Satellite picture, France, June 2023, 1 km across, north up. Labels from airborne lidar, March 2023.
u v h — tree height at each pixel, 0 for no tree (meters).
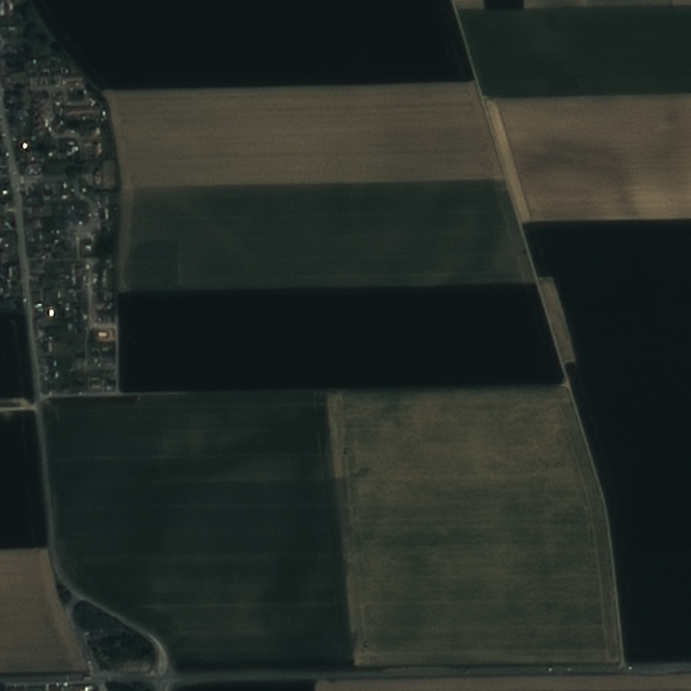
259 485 0
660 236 0
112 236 0
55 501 0
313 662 0
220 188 0
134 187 0
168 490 0
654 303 0
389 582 0
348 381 0
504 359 0
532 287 0
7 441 0
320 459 0
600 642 0
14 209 0
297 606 0
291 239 0
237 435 0
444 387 0
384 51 0
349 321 0
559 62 0
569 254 0
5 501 0
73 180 8
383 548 0
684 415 0
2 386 0
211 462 0
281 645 0
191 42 0
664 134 0
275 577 0
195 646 0
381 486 0
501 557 0
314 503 0
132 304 0
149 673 0
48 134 7
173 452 0
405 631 0
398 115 0
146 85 0
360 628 0
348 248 0
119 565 0
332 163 0
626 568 0
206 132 0
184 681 0
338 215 0
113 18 0
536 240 0
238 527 0
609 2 0
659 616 0
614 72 0
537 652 0
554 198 0
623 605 0
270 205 0
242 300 0
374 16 0
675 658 0
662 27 0
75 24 0
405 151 0
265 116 0
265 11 0
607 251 0
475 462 0
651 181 0
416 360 0
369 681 0
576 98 0
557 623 0
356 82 0
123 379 0
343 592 0
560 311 0
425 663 0
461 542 0
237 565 0
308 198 0
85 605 11
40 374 0
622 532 0
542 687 0
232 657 0
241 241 0
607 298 0
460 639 0
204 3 0
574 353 0
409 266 0
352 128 0
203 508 0
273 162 0
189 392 0
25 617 0
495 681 0
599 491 0
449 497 0
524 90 0
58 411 0
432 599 0
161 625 0
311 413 0
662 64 0
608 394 0
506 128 0
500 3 0
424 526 0
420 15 0
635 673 0
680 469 0
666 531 0
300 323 0
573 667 0
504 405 0
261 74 0
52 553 0
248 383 0
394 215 0
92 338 0
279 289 0
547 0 0
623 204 0
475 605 0
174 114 0
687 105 0
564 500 0
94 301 0
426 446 0
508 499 0
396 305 0
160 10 0
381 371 0
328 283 0
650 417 0
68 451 0
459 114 0
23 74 0
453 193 0
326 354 0
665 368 0
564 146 0
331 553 0
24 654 0
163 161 0
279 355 0
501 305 0
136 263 0
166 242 0
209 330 0
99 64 0
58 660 0
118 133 0
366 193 0
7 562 0
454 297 0
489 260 0
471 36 0
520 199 0
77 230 0
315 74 0
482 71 0
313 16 0
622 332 0
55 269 0
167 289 0
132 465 0
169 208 0
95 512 0
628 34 0
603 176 0
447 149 0
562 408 0
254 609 0
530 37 0
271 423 0
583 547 0
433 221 0
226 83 0
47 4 0
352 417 0
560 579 0
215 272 0
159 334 0
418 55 0
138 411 0
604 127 0
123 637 11
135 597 0
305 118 0
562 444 0
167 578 0
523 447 0
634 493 0
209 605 0
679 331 0
